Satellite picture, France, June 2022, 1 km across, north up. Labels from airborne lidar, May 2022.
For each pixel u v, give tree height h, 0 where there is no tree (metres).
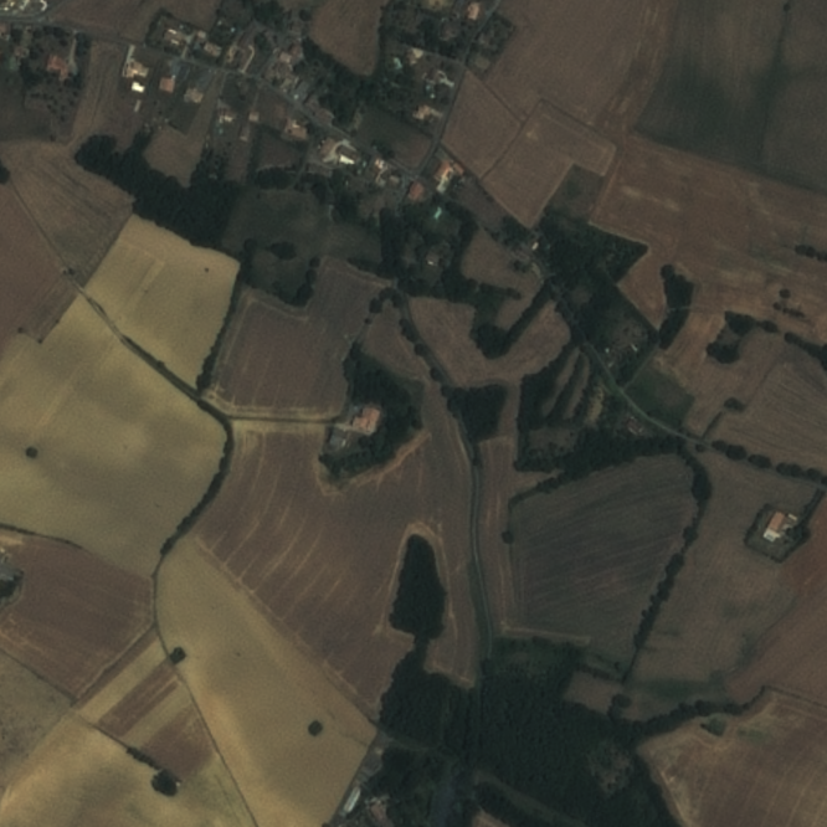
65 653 0
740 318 13
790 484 0
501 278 0
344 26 0
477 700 15
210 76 0
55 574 0
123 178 16
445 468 0
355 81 10
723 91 0
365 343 0
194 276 0
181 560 0
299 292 12
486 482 0
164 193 19
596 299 8
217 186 18
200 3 0
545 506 0
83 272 0
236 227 0
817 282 0
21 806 0
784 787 0
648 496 0
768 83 0
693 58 0
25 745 0
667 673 0
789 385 0
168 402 0
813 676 0
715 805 0
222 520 0
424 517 0
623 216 0
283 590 0
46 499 0
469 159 0
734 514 0
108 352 0
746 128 0
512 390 0
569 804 13
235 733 0
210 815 0
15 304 0
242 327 0
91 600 0
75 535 0
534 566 0
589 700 0
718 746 0
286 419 0
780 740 0
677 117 0
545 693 17
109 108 0
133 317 0
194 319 0
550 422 12
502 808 11
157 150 0
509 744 17
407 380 0
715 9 0
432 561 10
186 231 18
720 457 0
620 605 0
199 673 0
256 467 0
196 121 0
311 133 10
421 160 0
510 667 6
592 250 6
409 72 8
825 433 0
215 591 0
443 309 0
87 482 0
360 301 0
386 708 14
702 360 0
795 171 0
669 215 0
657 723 16
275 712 0
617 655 0
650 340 7
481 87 0
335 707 0
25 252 0
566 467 14
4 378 0
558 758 17
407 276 10
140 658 0
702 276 0
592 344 10
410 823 10
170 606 0
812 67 0
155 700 0
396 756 8
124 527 0
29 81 7
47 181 0
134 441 0
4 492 0
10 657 0
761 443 0
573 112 0
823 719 0
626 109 0
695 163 0
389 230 16
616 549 0
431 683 21
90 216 0
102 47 0
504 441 0
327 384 0
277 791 0
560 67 0
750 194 0
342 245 0
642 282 0
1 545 0
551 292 9
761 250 0
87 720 0
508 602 0
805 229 0
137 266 0
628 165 0
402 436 9
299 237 0
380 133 0
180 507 0
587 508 0
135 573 0
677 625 0
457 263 8
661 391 0
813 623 0
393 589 0
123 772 0
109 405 0
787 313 8
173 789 12
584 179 0
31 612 0
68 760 0
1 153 0
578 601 0
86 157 15
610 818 18
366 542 0
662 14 0
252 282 6
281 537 0
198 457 0
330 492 0
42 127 0
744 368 0
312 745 0
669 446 12
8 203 0
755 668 0
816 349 11
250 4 7
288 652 0
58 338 0
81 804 0
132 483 0
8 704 0
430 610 18
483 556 0
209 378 11
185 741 0
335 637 0
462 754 11
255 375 0
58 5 0
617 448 16
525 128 0
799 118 0
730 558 0
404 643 0
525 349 0
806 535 10
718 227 0
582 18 0
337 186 11
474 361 0
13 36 10
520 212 0
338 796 0
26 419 0
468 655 0
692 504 0
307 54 11
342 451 0
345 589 0
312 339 0
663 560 0
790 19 0
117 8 0
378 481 0
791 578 0
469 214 14
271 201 0
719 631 0
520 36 0
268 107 0
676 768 0
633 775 6
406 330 15
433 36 10
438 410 0
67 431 0
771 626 0
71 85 10
